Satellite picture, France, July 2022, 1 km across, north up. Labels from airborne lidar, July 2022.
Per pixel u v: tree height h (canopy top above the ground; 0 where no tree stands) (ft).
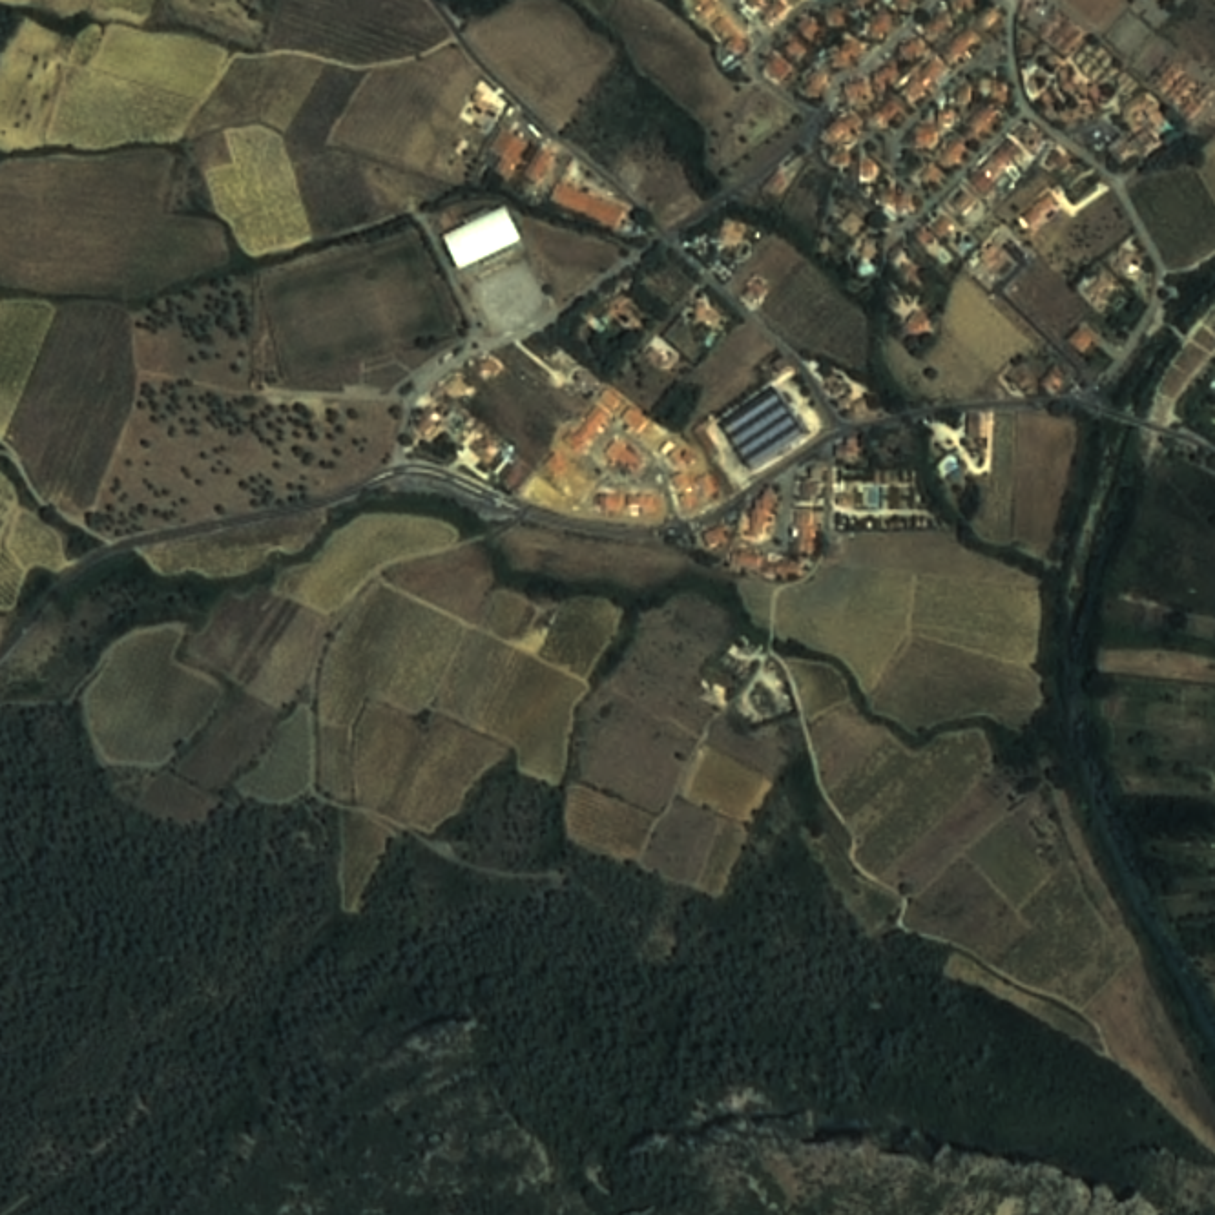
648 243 20
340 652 0
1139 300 30
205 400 30
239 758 0
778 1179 0
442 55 0
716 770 0
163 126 0
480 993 34
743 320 18
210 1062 61
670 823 0
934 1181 0
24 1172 29
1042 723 42
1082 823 17
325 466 38
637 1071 43
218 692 0
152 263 0
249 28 0
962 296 0
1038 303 0
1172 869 61
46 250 0
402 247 0
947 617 0
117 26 0
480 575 0
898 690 0
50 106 0
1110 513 19
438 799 0
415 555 0
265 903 48
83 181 0
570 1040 49
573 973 56
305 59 0
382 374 0
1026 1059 28
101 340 0
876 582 0
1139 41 0
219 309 32
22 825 28
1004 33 22
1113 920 0
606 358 37
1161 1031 0
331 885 26
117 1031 26
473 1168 26
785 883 19
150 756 0
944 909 0
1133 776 0
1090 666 24
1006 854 0
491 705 0
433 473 0
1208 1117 0
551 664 0
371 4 0
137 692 0
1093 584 39
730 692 22
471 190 28
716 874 0
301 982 53
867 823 0
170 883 54
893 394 31
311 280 0
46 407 0
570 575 0
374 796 0
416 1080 26
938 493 21
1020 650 0
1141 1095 25
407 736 0
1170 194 0
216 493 0
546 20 0
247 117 0
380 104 0
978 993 35
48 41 0
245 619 0
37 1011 33
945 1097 19
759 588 0
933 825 0
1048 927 0
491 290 0
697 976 54
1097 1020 0
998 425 0
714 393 0
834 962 56
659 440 0
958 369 0
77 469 0
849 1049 41
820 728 0
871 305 31
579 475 0
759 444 0
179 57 0
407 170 0
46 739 20
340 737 0
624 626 21
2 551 0
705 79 0
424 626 0
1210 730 0
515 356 0
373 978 51
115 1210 48
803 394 22
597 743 0
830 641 0
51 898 46
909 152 34
